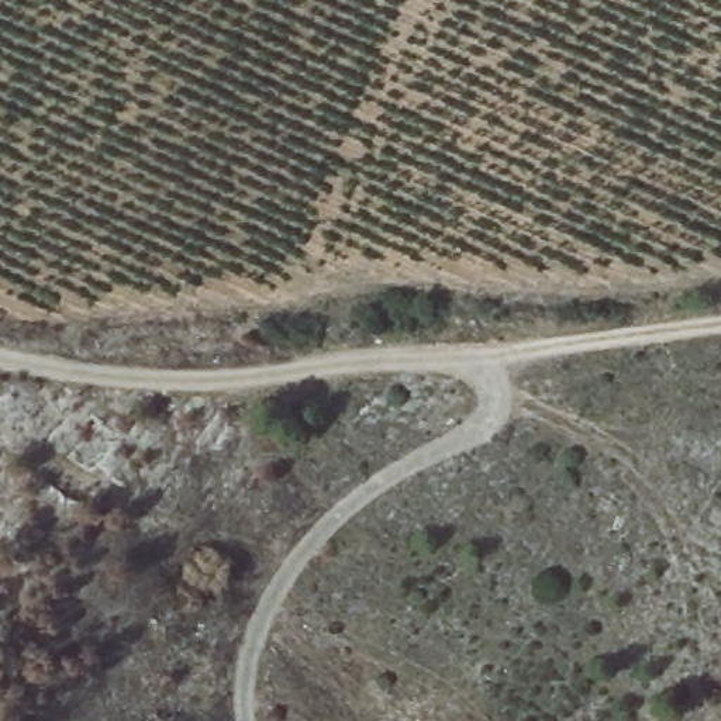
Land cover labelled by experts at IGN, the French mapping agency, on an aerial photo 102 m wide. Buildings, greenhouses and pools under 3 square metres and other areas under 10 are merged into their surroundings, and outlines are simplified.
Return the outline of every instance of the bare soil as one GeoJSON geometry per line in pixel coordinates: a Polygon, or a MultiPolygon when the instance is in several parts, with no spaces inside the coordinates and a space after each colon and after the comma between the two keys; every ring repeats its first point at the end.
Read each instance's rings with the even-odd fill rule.
{"type": "Polygon", "coordinates": [[[558,304],[504,301],[501,296],[456,293],[442,284],[434,284],[428,290],[428,304],[448,315],[448,327],[439,332],[439,338],[434,332],[420,332],[411,344],[515,344],[532,338],[560,338],[586,332],[586,324],[555,321],[558,304]]]}
{"type": "Polygon", "coordinates": [[[248,304],[245,310],[222,313],[200,310],[194,318],[73,315],[65,324],[51,324],[20,321],[0,310],[0,346],[62,358],[73,363],[135,369],[242,369],[287,363],[296,358],[282,346],[259,346],[248,338],[248,332],[256,330],[259,321],[270,313],[262,304],[248,304]]]}
{"type": "Polygon", "coordinates": [[[721,279],[698,284],[701,299],[713,310],[713,315],[721,313],[721,279]]]}
{"type": "Polygon", "coordinates": [[[369,344],[349,324],[358,296],[318,296],[304,310],[330,318],[321,352],[369,349],[389,344],[380,335],[375,338],[375,344],[369,344]]]}
{"type": "Polygon", "coordinates": [[[293,468],[290,459],[284,459],[276,451],[276,445],[251,439],[251,428],[242,425],[239,414],[239,406],[231,403],[222,417],[217,414],[206,422],[200,406],[208,400],[211,391],[149,394],[141,389],[51,380],[28,372],[0,372],[0,538],[14,538],[17,529],[28,521],[28,473],[20,473],[14,468],[14,459],[28,448],[28,442],[48,439],[56,451],[51,468],[70,476],[70,482],[87,490],[90,496],[99,496],[107,487],[127,487],[135,499],[146,496],[149,490],[163,493],[152,513],[141,518],[141,529],[152,535],[175,535],[172,555],[183,563],[183,577],[192,586],[200,586],[206,591],[222,591],[225,577],[231,572],[234,577],[245,580],[245,591],[251,591],[259,600],[265,583],[273,577],[282,560],[293,552],[293,546],[313,529],[313,524],[324,513],[315,504],[313,493],[293,473],[293,468]]]}
{"type": "Polygon", "coordinates": [[[79,521],[87,527],[90,510],[76,504],[73,499],[65,499],[56,487],[45,487],[39,493],[42,507],[51,504],[56,510],[56,518],[79,521]]]}
{"type": "Polygon", "coordinates": [[[344,622],[327,625],[324,617],[293,617],[284,608],[276,614],[268,631],[262,659],[256,667],[256,721],[422,721],[420,710],[434,713],[434,693],[417,701],[397,701],[394,707],[389,701],[389,693],[377,682],[363,684],[363,665],[355,662],[355,651],[344,645],[341,637],[344,622]]]}
{"type": "Polygon", "coordinates": [[[662,324],[682,318],[673,307],[682,290],[667,287],[645,293],[642,287],[622,282],[608,299],[634,304],[634,324],[662,324]]]}
{"type": "Polygon", "coordinates": [[[239,645],[245,639],[245,625],[234,620],[197,622],[197,631],[175,645],[166,637],[166,628],[158,620],[149,620],[149,631],[132,645],[130,656],[107,670],[107,690],[96,696],[93,707],[82,710],[76,721],[163,721],[158,715],[158,707],[197,715],[211,710],[214,693],[228,696],[234,701],[234,667],[239,645]]]}

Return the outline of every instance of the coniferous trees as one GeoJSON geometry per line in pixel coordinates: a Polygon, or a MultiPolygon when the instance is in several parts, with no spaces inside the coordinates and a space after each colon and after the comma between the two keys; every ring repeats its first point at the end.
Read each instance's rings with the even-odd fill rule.
{"type": "Polygon", "coordinates": [[[228,696],[214,693],[211,710],[197,715],[158,707],[158,715],[163,721],[234,721],[234,701],[228,696]]]}
{"type": "Polygon", "coordinates": [[[28,442],[28,448],[14,459],[14,468],[20,473],[28,473],[28,521],[17,529],[14,538],[0,538],[0,721],[76,721],[82,710],[93,707],[96,696],[107,690],[107,670],[130,656],[132,645],[149,631],[149,620],[158,620],[166,628],[166,637],[175,645],[197,631],[197,622],[234,620],[245,625],[259,600],[251,591],[245,591],[245,580],[234,577],[231,572],[225,577],[222,591],[206,591],[200,586],[192,586],[183,577],[183,563],[172,555],[175,535],[152,535],[141,529],[141,518],[152,513],[163,493],[149,490],[146,496],[135,499],[127,487],[107,487],[99,496],[90,496],[87,490],[70,482],[70,476],[51,468],[56,451],[48,439],[28,442]],[[39,493],[45,487],[56,487],[65,499],[73,499],[76,504],[90,510],[87,527],[79,521],[56,518],[56,510],[51,504],[42,507],[39,493]]]}
{"type": "Polygon", "coordinates": [[[338,422],[338,417],[346,411],[349,391],[332,389],[327,380],[307,377],[299,383],[270,389],[253,411],[239,414],[242,425],[251,428],[251,439],[276,445],[276,451],[284,459],[290,459],[293,468],[299,462],[315,465],[310,439],[324,437],[330,425],[338,422]]]}

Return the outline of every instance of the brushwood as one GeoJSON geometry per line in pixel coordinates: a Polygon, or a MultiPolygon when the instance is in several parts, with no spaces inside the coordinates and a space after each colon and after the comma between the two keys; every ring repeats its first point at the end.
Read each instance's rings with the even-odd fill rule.
{"type": "Polygon", "coordinates": [[[282,346],[296,358],[321,352],[330,318],[304,310],[270,313],[259,321],[256,330],[248,332],[248,338],[259,346],[282,346]]]}
{"type": "Polygon", "coordinates": [[[682,290],[673,307],[682,318],[713,315],[713,310],[701,299],[698,284],[682,290]]]}
{"type": "Polygon", "coordinates": [[[563,299],[558,304],[555,321],[586,324],[586,332],[634,324],[634,304],[608,299],[563,299]]]}
{"type": "Polygon", "coordinates": [[[383,284],[375,293],[358,296],[349,324],[369,344],[375,344],[375,338],[380,335],[389,344],[411,344],[420,332],[434,332],[439,338],[439,332],[448,327],[448,315],[428,304],[428,290],[408,284],[383,284]]]}

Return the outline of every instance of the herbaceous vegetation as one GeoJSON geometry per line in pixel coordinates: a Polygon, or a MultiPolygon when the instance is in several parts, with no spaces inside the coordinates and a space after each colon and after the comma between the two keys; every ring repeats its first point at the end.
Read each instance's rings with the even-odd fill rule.
{"type": "Polygon", "coordinates": [[[200,406],[206,422],[217,414],[222,417],[231,403],[239,406],[239,414],[253,411],[270,389],[211,391],[208,400],[200,406]]]}
{"type": "Polygon", "coordinates": [[[422,721],[721,721],[721,335],[594,349],[544,358],[532,363],[513,363],[507,372],[513,383],[507,425],[499,434],[493,434],[490,442],[456,453],[453,465],[437,462],[414,473],[411,479],[389,487],[383,496],[358,510],[299,575],[284,600],[284,608],[293,617],[324,617],[327,625],[344,622],[341,637],[344,645],[355,651],[355,662],[363,665],[363,684],[377,682],[389,693],[389,701],[394,707],[397,701],[417,701],[434,693],[434,713],[420,710],[422,721]]]}
{"type": "Polygon", "coordinates": [[[361,482],[366,482],[372,473],[397,462],[408,451],[428,445],[445,437],[448,431],[465,425],[465,420],[476,408],[476,389],[451,372],[375,372],[327,380],[332,389],[349,391],[346,411],[338,417],[338,422],[330,425],[324,437],[310,439],[315,465],[299,462],[293,468],[293,473],[313,493],[315,504],[324,513],[332,510],[338,499],[344,499],[361,482]]]}

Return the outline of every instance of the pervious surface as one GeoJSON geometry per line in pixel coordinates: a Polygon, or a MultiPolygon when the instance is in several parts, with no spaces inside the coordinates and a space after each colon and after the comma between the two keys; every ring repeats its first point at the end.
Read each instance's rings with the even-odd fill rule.
{"type": "Polygon", "coordinates": [[[372,473],[366,482],[361,482],[344,499],[338,499],[332,510],[324,513],[313,524],[313,529],[293,546],[293,552],[282,560],[273,577],[265,583],[259,600],[245,625],[245,639],[239,645],[234,667],[234,701],[234,721],[256,721],[256,667],[262,659],[268,631],[276,614],[284,608],[284,600],[299,575],[358,510],[383,496],[389,487],[411,479],[414,473],[437,462],[453,465],[456,453],[490,442],[493,434],[499,434],[507,425],[513,383],[507,372],[513,363],[532,363],[544,358],[594,349],[721,335],[721,313],[713,315],[682,318],[662,324],[634,324],[586,332],[560,338],[532,338],[515,344],[411,344],[389,344],[369,349],[321,352],[296,358],[287,363],[242,369],[135,369],[73,363],[62,358],[0,346],[0,372],[28,372],[51,380],[141,389],[149,394],[211,391],[270,389],[299,383],[307,377],[327,380],[375,372],[451,372],[476,389],[476,408],[465,420],[465,425],[448,431],[445,437],[428,445],[408,451],[397,462],[372,473]]]}

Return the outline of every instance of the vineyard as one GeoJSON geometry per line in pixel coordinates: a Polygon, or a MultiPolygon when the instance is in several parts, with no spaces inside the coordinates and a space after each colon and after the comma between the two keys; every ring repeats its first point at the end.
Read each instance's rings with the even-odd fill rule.
{"type": "Polygon", "coordinates": [[[721,0],[0,0],[0,310],[20,321],[51,324],[65,324],[73,315],[194,318],[200,310],[222,313],[245,310],[248,304],[262,304],[270,313],[304,310],[318,296],[358,296],[375,293],[383,284],[408,284],[428,290],[434,284],[442,284],[456,293],[501,296],[504,301],[558,304],[563,299],[608,299],[622,282],[642,287],[645,293],[667,287],[682,290],[698,284],[721,279],[721,0]]]}

